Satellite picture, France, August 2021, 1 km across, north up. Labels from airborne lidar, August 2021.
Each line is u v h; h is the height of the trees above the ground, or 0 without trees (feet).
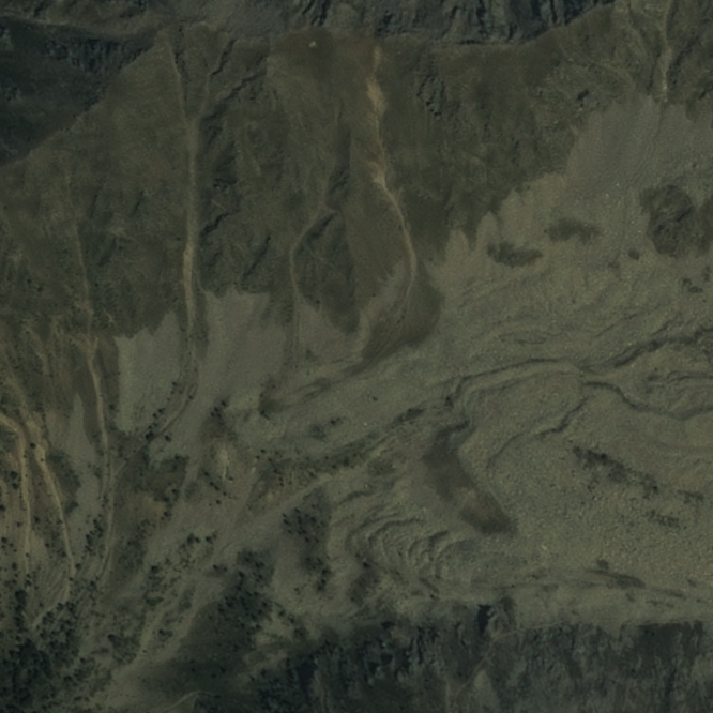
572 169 0
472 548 0
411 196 0
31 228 0
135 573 0
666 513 0
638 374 0
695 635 0
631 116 0
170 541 0
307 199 0
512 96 0
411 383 0
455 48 0
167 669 0
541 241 0
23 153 0
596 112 0
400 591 0
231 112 0
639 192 0
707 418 0
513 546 0
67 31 0
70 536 0
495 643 0
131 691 0
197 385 0
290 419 0
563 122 0
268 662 0
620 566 0
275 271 0
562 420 0
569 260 0
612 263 0
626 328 0
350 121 0
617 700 0
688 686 0
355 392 0
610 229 0
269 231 0
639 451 0
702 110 0
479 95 0
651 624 0
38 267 0
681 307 0
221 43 0
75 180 0
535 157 0
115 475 0
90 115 0
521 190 0
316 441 0
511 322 0
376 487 0
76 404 0
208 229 0
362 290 0
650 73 0
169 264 0
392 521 0
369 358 0
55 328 0
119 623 0
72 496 0
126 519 0
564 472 0
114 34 0
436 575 0
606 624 0
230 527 0
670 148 0
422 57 0
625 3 0
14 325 0
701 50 0
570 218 0
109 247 0
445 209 0
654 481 0
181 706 0
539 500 0
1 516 0
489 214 0
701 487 0
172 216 0
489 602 0
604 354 0
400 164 0
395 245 0
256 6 0
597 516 0
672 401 0
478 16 0
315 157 0
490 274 0
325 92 0
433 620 0
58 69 0
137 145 0
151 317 0
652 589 0
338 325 0
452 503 0
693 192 0
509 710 0
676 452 0
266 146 0
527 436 0
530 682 0
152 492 0
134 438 0
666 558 0
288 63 0
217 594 0
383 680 0
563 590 0
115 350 0
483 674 0
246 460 0
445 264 0
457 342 0
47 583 0
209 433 0
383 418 0
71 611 33
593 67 0
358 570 0
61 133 0
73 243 0
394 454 0
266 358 0
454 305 0
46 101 0
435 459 0
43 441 0
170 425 0
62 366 0
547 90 0
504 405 0
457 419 0
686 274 0
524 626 0
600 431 0
